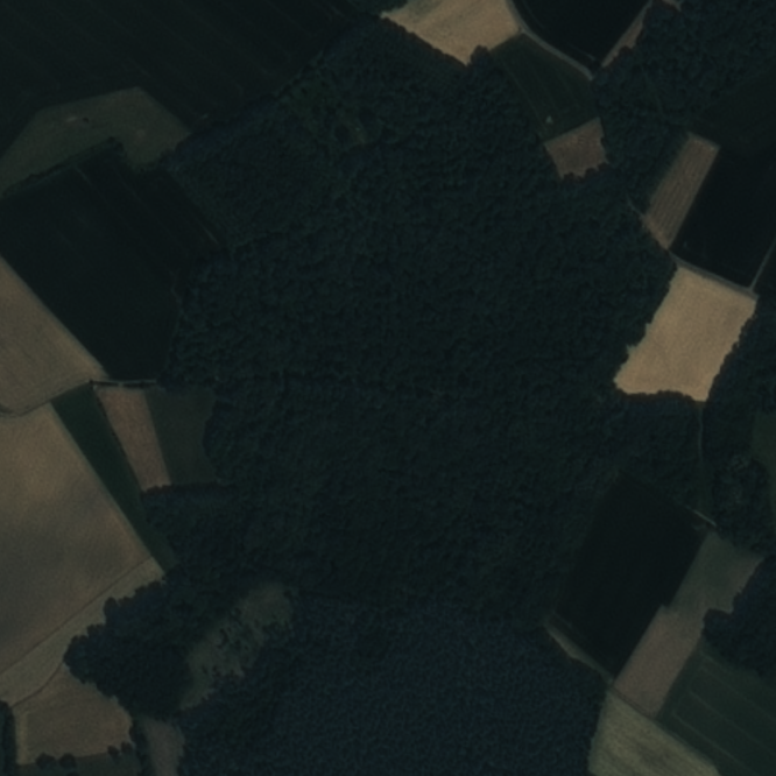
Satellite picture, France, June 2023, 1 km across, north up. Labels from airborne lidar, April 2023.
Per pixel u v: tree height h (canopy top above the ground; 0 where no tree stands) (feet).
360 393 86
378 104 88
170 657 101
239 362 64
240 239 51
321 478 58
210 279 73
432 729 114
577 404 84
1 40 0
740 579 0
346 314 88
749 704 0
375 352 92
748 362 75
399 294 89
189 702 0
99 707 0
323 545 79
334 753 106
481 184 77
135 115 0
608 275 86
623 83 19
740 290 0
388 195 83
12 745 52
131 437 0
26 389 0
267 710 88
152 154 0
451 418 97
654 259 67
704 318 0
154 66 0
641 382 0
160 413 0
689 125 0
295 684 85
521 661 110
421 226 81
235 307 72
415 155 85
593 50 0
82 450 0
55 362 0
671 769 0
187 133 0
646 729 0
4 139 0
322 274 86
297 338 96
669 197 0
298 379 60
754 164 0
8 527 0
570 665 65
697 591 0
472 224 91
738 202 0
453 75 57
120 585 0
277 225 48
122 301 0
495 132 66
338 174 76
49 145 0
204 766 82
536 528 76
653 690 0
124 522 0
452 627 102
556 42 0
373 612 82
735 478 72
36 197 0
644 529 0
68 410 0
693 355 0
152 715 40
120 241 0
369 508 94
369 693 96
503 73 40
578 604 0
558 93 0
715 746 0
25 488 0
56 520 0
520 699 93
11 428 0
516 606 74
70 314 0
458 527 97
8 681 0
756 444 0
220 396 57
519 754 104
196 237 0
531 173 63
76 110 0
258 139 84
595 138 0
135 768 0
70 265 0
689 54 91
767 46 69
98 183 0
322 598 81
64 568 0
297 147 37
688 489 74
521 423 77
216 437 73
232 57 0
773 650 90
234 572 115
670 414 76
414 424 86
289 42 0
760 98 0
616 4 0
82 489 0
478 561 83
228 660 0
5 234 0
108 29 0
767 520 74
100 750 0
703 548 0
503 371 82
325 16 0
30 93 0
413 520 85
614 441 98
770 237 0
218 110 0
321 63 27
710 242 0
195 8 0
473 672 109
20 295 0
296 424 82
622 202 63
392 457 71
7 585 0
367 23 86
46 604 0
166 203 0
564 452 50
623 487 0
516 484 72
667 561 0
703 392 0
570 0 0
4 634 0
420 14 0
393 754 102
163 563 0
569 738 87
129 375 0
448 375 83
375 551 88
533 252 79
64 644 0
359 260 92
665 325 0
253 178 75
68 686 0
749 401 56
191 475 0
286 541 47
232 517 65
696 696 0
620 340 81
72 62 0
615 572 0
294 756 117
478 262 76
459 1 0
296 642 84
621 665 0
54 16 0
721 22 83
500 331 87
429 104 77
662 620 0
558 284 84
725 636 65
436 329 97
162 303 0
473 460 80
